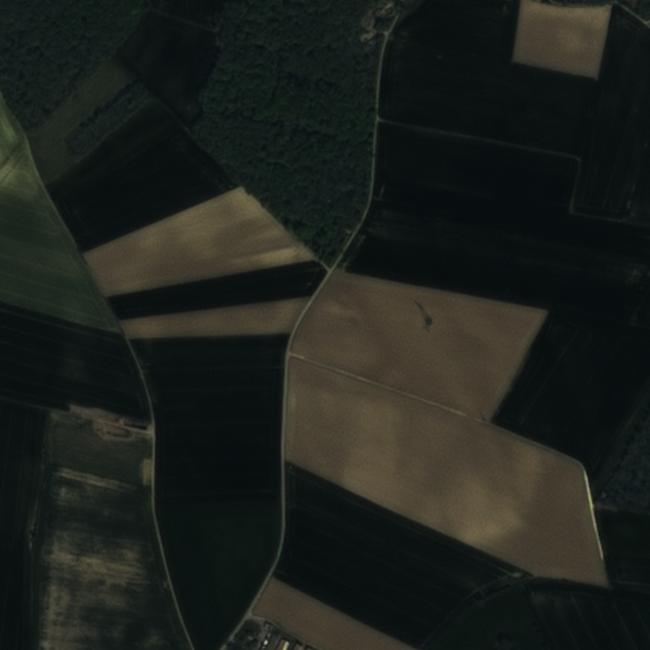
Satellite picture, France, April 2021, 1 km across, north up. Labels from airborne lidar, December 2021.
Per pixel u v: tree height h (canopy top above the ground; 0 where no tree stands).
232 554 0
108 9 21
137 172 0
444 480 0
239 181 12
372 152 16
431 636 0
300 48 21
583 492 0
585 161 0
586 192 0
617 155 0
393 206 0
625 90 0
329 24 20
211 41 0
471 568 0
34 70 18
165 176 0
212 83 14
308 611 0
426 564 0
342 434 0
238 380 0
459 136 0
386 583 0
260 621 0
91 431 0
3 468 0
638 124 0
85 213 0
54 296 0
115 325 0
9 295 0
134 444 0
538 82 0
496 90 0
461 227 0
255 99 19
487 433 0
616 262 0
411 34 0
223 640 0
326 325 0
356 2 17
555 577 0
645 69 0
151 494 0
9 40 15
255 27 22
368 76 11
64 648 0
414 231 0
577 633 0
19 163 0
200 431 0
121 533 0
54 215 0
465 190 0
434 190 0
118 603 0
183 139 0
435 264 0
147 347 0
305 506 0
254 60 22
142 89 15
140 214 0
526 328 0
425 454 0
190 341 0
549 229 0
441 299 0
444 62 0
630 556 0
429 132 0
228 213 0
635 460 7
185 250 0
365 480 0
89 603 0
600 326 0
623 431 0
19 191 0
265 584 0
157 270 0
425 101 0
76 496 0
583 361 0
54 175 0
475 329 0
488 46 0
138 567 0
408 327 0
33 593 0
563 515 0
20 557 0
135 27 10
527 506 0
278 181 20
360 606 0
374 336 0
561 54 0
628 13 0
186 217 0
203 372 0
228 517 0
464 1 0
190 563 0
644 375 0
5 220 0
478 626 0
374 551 0
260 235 0
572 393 0
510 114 0
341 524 0
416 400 0
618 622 0
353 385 0
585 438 0
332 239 7
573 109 0
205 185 0
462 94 0
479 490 0
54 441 0
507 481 0
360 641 0
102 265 0
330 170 28
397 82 0
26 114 16
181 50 0
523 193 0
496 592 6
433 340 0
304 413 0
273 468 0
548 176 0
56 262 0
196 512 0
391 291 0
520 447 0
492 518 0
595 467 0
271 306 0
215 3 0
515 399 0
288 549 0
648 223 0
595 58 0
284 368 0
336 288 0
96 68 9
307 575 0
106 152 0
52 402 0
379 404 0
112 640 0
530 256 0
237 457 0
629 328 0
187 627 0
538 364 0
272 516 0
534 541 0
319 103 24
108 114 18
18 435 0
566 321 0
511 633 0
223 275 0
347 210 22
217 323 0
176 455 0
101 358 0
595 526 0
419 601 0
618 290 0
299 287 0
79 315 0
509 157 0
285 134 21
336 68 19
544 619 0
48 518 0
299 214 18
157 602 0
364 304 0
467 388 0
